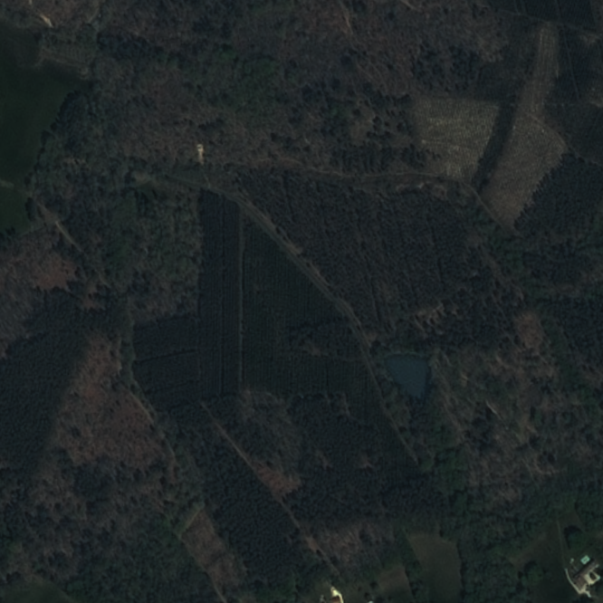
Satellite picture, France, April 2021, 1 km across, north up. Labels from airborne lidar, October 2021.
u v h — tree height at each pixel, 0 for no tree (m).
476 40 13
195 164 11
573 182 18
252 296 11
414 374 0
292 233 18
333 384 13
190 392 16
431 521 20
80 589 20
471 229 19
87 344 25
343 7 10
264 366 12
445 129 0
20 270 13
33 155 0
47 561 18
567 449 7
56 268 10
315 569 16
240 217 13
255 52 17
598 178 16
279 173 10
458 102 0
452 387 21
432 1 18
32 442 23
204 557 11
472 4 25
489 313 16
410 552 21
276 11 16
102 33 6
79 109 21
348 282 19
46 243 11
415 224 17
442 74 17
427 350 22
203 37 26
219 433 15
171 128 10
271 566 20
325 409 24
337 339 24
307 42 18
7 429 24
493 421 20
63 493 11
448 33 12
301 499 18
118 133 18
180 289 13
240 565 8
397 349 19
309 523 23
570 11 7
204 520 8
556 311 17
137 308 15
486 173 7
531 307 18
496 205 0
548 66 0
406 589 0
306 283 11
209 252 14
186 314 19
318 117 12
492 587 22
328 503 24
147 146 20
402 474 12
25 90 0
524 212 0
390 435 12
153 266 10
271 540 21
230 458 23
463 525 19
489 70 8
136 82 14
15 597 0
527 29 7
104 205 16
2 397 21
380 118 22
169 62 9
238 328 14
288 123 12
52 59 0
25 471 22
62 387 25
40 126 0
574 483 8
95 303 21
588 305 24
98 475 16
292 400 14
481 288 17
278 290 11
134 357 20
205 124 15
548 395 17
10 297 14
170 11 9
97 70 19
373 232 17
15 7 13
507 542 14
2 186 0
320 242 19
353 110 20
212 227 16
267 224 0
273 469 18
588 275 20
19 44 0
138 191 8
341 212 18
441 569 0
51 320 24
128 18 9
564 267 19
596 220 19
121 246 19
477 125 0
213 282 15
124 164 19
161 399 13
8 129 0
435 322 6
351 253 19
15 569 12
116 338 20
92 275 19
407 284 20
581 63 8
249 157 16
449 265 19
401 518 17
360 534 15
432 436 18
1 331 13
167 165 17
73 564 13
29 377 26
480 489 6
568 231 19
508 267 12
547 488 9
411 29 7
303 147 13
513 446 19
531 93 0
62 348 24
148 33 9
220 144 13
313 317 14
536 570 16
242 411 18
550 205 19
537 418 20
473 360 16
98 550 15
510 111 6
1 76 0
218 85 13
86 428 11
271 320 10
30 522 19
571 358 12
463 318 18
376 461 24
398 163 8
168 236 13
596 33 7
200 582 19
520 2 7
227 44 17
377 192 7
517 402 14
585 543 16
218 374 13
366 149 14
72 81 0
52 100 0
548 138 0
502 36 12
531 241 17
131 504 11
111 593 9
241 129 16
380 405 9
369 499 24
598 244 11
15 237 19
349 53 7
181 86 7
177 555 23
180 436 14
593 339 20
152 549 18
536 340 9
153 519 18
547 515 17
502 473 16
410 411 20
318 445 21
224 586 10
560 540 0
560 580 0
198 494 27
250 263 8
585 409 9
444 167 0
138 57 27
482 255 15
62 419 13
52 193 20
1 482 18
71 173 15
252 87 15
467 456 13
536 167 0
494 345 17
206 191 0
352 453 22
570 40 8
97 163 16
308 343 21
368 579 19
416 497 20
